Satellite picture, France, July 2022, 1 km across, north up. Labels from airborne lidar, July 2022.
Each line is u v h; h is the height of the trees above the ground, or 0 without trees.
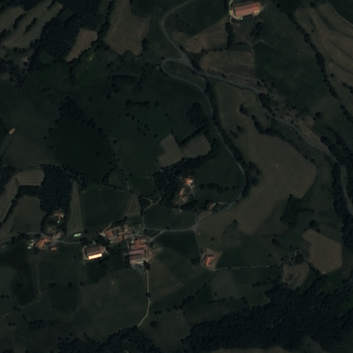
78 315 0
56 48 31
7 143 0
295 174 0
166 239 0
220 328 24
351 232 18
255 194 0
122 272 0
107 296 0
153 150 0
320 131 0
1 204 0
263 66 0
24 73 8
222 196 0
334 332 8
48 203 12
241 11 0
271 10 0
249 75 0
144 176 0
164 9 0
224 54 0
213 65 0
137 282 0
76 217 0
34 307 0
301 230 0
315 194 0
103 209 0
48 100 0
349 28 0
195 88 0
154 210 0
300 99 0
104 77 0
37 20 12
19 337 0
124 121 0
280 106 0
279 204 0
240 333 25
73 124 0
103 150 0
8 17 0
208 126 15
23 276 0
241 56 0
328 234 0
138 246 0
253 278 0
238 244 0
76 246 0
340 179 12
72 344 16
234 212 0
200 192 0
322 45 0
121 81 19
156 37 0
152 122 0
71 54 0
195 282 0
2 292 0
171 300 0
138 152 0
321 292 12
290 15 14
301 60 0
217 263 0
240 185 0
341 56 0
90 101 10
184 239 0
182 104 0
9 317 0
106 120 0
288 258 0
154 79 0
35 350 0
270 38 0
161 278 0
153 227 0
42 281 0
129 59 0
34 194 15
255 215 0
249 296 0
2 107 0
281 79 0
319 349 0
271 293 24
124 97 0
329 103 0
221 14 0
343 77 0
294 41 0
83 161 0
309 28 0
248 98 0
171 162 0
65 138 0
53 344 0
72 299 0
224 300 9
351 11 0
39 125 0
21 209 0
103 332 0
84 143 0
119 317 0
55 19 16
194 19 0
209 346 21
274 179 0
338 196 21
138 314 0
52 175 20
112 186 7
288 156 0
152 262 0
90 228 0
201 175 0
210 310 0
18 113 0
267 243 0
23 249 0
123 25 0
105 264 15
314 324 22
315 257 0
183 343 18
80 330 0
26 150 0
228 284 0
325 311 17
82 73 0
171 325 0
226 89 0
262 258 0
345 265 0
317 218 0
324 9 0
